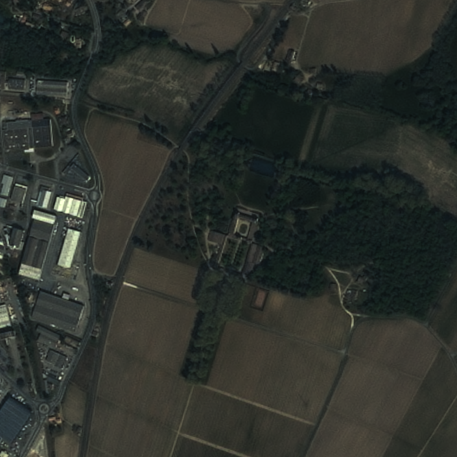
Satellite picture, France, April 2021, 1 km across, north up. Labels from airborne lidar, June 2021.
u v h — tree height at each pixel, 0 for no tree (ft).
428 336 0
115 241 0
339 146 0
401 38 0
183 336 0
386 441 0
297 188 60
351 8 0
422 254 56
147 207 0
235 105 0
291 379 0
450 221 75
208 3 0
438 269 41
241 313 100
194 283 0
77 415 0
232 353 0
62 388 0
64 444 0
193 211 32
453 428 0
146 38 59
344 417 0
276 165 30
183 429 0
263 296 0
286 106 0
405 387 0
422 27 0
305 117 0
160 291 0
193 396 0
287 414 0
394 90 0
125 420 0
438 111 50
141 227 0
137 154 0
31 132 0
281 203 59
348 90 51
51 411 0
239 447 0
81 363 0
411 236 52
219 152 58
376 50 0
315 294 34
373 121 0
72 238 0
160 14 0
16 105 0
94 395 0
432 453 0
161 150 0
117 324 0
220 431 0
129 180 0
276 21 0
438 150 0
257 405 0
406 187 105
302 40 0
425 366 0
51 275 0
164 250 0
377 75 46
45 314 0
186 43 0
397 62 0
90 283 0
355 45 0
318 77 27
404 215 49
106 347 0
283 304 0
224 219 37
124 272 0
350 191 82
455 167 0
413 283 53
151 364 0
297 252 65
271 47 48
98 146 0
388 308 46
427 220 43
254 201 0
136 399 0
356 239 44
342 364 0
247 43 0
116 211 0
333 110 0
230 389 0
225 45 0
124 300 0
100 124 0
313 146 0
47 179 0
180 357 0
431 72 58
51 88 0
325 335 0
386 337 0
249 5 0
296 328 0
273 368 0
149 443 0
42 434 0
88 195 0
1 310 0
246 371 0
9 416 0
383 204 77
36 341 49
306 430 0
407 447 0
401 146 0
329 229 63
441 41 62
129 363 0
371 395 0
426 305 54
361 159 0
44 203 0
